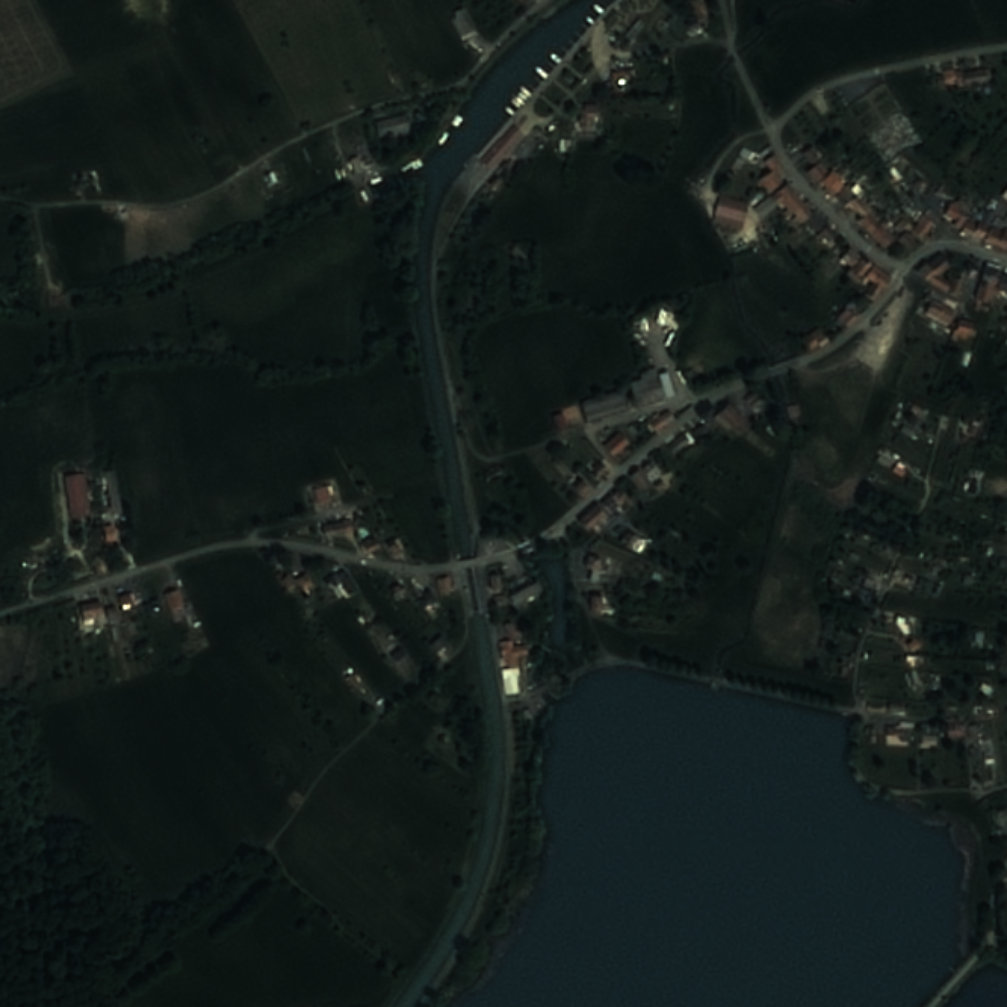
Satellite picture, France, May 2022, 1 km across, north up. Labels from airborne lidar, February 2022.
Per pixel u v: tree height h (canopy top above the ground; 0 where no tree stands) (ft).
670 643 0
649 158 0
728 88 0
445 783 0
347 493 0
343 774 0
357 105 0
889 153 0
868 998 0
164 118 0
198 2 0
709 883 0
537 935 0
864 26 0
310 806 0
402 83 0
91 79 0
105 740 0
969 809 0
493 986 0
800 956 0
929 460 0
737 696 0
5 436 0
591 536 0
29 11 0
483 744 44
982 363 0
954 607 0
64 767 0
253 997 0
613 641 0
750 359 0
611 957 0
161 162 0
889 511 39
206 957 0
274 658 27
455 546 0
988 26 0
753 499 0
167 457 0
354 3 0
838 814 0
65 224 0
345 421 0
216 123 0
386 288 0
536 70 0
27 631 0
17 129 0
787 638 0
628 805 0
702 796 0
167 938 42
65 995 92
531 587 0
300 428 0
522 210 0
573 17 0
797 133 0
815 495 22
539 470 0
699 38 0
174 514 0
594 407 0
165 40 0
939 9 0
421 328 0
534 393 0
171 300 0
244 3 0
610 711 0
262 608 0
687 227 0
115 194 0
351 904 0
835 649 50
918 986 0
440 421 0
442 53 0
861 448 0
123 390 0
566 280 0
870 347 0
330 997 0
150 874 0
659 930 0
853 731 46
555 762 0
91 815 0
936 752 19
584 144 0
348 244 0
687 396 0
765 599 0
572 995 0
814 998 0
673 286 0
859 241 0
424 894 0
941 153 0
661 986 0
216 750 0
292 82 0
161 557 0
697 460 0
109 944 97
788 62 0
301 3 0
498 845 0
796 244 0
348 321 0
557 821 0
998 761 0
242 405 0
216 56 0
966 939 0
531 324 0
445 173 0
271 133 0
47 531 0
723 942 0
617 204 0
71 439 0
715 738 0
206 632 0
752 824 0
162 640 0
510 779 0
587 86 0
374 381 0
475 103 0
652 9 0
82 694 0
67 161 0
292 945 0
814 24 0
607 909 0
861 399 0
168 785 0
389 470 0
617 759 0
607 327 0
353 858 0
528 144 0
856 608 34
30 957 101
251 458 0
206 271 0
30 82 0
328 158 0
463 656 0
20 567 0
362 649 0
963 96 20
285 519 0
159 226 0
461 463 0
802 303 0
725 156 0
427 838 0
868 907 0
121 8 0
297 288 0
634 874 0
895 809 0
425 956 0
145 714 0
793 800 0
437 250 0
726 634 0
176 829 0
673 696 0
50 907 105
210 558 0
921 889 0
